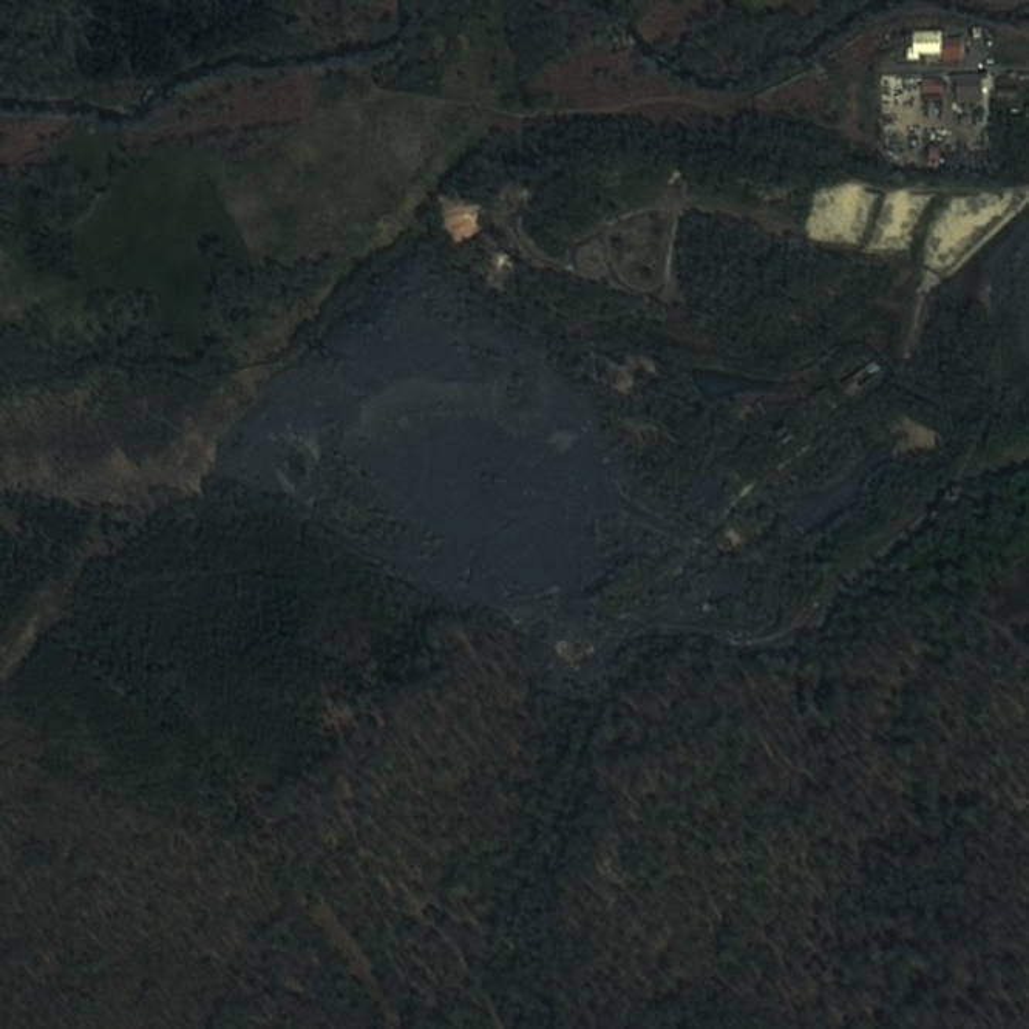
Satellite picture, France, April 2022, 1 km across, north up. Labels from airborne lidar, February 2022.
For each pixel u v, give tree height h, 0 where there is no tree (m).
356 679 7
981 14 10
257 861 23
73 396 12
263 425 0
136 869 19
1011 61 0
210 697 8
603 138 21
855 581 0
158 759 10
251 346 0
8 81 11
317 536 17
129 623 9
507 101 0
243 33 25
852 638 29
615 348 25
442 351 0
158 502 13
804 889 20
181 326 0
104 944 22
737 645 0
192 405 18
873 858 22
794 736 36
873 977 35
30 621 0
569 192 19
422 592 7
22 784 14
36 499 10
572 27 18
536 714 23
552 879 20
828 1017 25
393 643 8
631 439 17
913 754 33
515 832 26
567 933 23
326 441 0
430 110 0
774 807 27
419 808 23
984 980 26
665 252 0
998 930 28
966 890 29
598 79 12
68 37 22
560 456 0
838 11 17
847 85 0
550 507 0
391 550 0
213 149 21
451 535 0
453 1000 27
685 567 0
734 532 0
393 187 0
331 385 0
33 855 17
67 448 14
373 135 0
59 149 0
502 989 24
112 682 13
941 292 14
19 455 12
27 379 18
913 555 19
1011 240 0
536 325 21
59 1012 23
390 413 0
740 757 26
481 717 27
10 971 22
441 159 0
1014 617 0
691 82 16
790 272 21
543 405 0
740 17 23
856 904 29
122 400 13
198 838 21
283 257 0
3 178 17
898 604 29
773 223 0
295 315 0
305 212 0
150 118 13
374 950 30
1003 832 26
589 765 25
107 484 0
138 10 20
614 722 16
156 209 0
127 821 18
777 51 13
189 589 8
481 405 0
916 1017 32
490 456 0
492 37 0
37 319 11
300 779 15
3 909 21
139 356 15
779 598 0
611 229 0
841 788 35
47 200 20
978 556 26
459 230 0
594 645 0
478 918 29
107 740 11
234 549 8
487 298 18
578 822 18
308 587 10
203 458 0
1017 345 0
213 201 0
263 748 10
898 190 0
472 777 12
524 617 0
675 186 0
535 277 17
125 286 0
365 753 24
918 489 18
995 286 0
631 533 0
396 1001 26
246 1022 29
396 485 0
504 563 0
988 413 12
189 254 0
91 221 0
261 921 15
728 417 19
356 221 0
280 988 33
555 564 0
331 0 18
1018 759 21
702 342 23
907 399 16
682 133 17
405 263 0
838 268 21
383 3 0
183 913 18
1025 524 21
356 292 18
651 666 24
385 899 27
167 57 23
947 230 0
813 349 11
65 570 13
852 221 0
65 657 14
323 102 0
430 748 22
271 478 0
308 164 0
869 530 13
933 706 33
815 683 23
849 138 0
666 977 23
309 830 29
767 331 21
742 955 20
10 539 18
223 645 10
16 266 0
